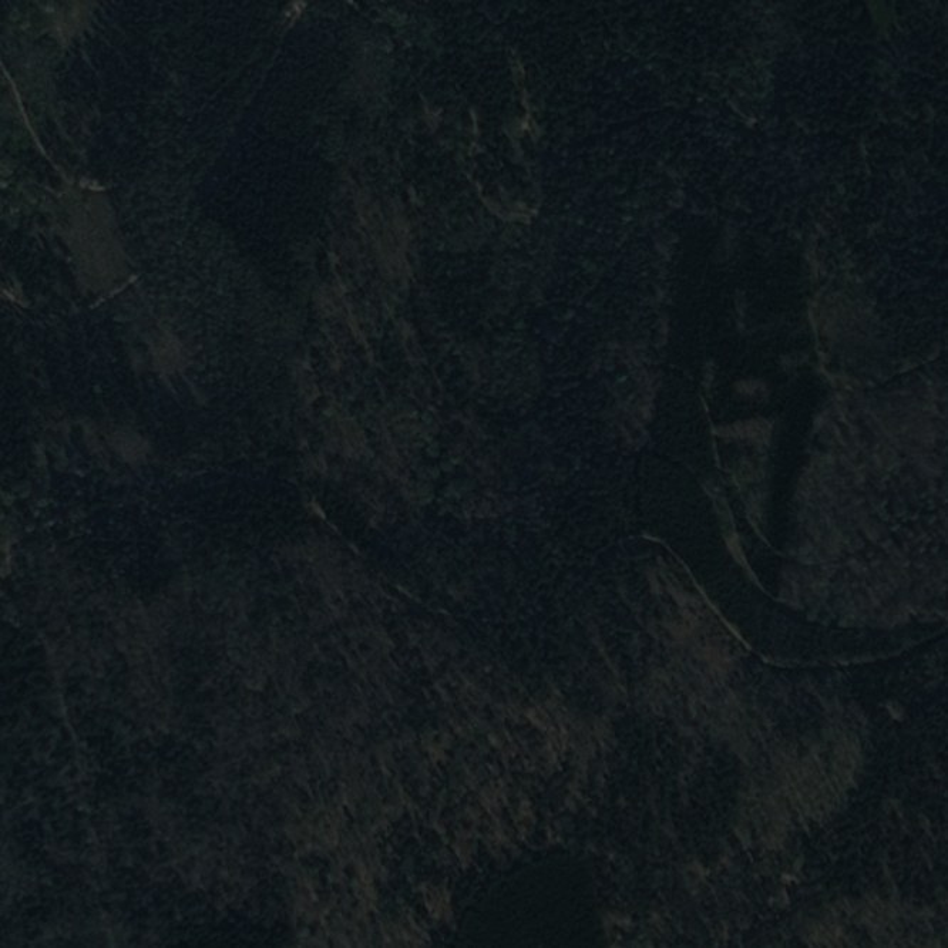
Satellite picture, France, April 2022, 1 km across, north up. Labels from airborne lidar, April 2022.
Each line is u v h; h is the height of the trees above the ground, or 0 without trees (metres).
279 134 20
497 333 21
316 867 22
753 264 13
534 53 28
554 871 19
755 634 17
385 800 35
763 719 23
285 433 16
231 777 15
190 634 15
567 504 28
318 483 23
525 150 30
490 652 31
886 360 12
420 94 31
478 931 19
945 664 17
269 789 14
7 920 22
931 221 32
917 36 0
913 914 23
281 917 10
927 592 15
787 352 13
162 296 14
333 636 28
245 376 16
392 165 25
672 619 27
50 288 23
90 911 16
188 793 21
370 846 30
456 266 29
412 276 25
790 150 25
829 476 24
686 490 20
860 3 37
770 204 24
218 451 19
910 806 30
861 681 13
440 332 26
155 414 20
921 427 21
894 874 22
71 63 24
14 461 24
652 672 21
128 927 12
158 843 16
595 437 23
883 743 32
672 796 31
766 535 14
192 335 20
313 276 18
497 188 38
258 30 21
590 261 28
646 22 33
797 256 14
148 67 21
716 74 13
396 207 25
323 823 23
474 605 41
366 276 27
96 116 24
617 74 25
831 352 11
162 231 19
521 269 13
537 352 18
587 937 19
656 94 26
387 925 29
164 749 7
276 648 22
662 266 24
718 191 21
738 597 18
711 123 24
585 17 32
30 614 18
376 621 29
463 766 30
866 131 37
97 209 0
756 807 20
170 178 23
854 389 9
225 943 17
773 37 30
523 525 29
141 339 9
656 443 16
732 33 29
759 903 25
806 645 18
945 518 8
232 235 22
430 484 36
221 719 11
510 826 27
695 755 21
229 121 18
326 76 19
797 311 15
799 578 24
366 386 30
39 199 20
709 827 28
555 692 25
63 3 23
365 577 34
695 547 19
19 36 9
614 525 23
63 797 18
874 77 31
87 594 15
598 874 13
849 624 17
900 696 16
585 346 24
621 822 20
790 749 16
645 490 17
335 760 26
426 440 34
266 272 18
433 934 29
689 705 23
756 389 17
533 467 23
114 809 19
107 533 25
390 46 22
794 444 16
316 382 10
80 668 17
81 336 26
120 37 23
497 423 22
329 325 20
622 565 24
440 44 26
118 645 17
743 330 12
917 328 15
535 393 21
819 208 24
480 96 29
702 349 13
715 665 0
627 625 26
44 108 11
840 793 21
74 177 20
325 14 8
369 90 18
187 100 16
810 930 29
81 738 21
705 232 13
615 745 22
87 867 19
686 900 20
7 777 16
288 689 29
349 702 26
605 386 25
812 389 17
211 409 13
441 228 30
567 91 32
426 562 37
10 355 24
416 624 30
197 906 25
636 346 28
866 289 9
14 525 28
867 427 17
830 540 25
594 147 29
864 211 35
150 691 16
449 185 31
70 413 27
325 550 27
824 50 27
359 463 22
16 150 23
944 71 35
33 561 17
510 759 16
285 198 27
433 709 34
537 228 13
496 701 25
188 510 29
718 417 14
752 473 20
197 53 18
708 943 18
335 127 14
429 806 26
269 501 28
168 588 21
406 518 21
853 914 29
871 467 11
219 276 19
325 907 14
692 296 13
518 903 20
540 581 42
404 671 33
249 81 16
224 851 16
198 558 25
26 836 19
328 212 23
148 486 23
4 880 24
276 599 29
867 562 33
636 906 25
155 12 22
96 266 0
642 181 25
